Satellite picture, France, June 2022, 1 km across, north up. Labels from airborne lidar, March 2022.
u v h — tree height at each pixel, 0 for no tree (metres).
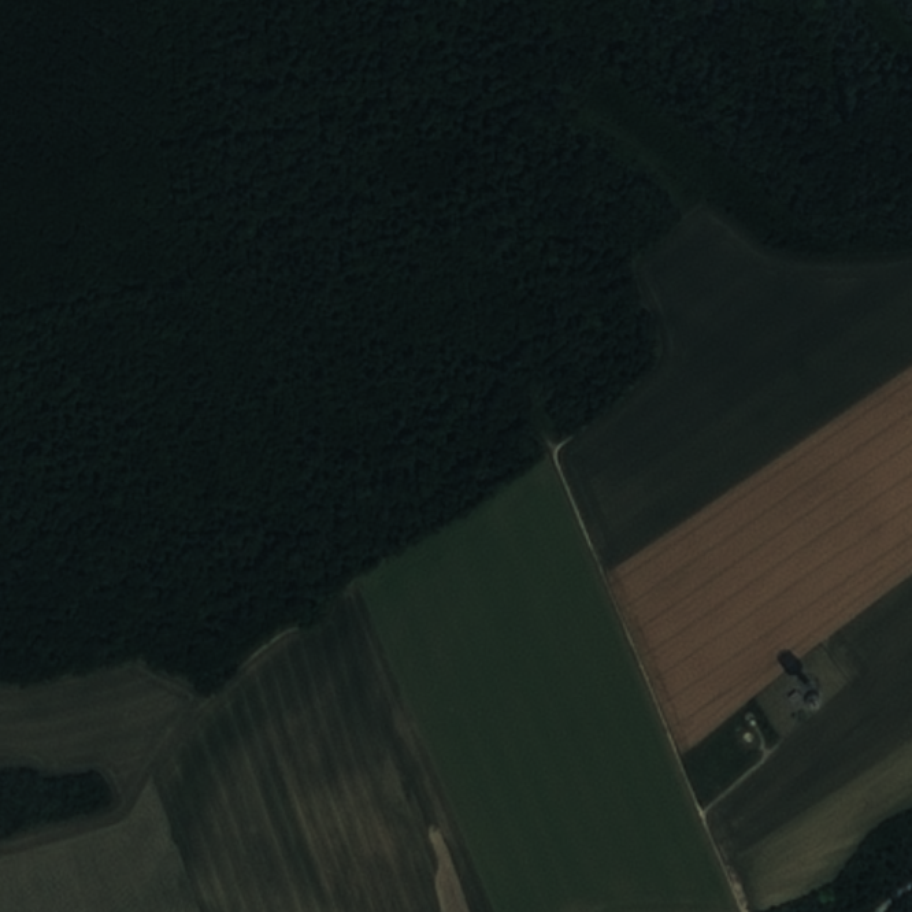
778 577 0
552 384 18
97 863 0
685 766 0
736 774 0
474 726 0
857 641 0
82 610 19
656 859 0
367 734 0
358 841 0
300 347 14
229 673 14
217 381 6
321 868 0
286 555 19
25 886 0
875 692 0
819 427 0
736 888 0
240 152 18
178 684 0
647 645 0
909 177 27
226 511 9
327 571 14
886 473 0
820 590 0
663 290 0
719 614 0
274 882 0
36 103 13
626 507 0
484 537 0
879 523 0
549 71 26
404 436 19
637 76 13
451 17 19
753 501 0
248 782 0
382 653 0
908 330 0
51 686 0
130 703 0
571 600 0
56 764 0
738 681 0
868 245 11
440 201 17
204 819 0
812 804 0
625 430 0
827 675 0
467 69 21
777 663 0
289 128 18
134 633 18
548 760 0
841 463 0
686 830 0
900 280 0
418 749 0
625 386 14
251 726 0
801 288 0
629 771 0
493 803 0
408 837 0
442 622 0
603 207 23
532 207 21
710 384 0
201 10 5
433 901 0
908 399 0
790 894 0
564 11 24
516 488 0
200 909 0
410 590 0
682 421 0
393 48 22
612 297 18
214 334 7
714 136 29
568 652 0
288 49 15
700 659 0
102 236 11
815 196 31
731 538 0
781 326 0
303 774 0
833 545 0
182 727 0
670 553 0
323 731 0
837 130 36
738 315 0
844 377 0
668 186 0
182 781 0
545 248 20
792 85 23
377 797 0
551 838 0
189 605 17
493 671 0
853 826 0
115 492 20
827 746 0
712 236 0
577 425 16
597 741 0
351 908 0
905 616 0
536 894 0
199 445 11
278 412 11
